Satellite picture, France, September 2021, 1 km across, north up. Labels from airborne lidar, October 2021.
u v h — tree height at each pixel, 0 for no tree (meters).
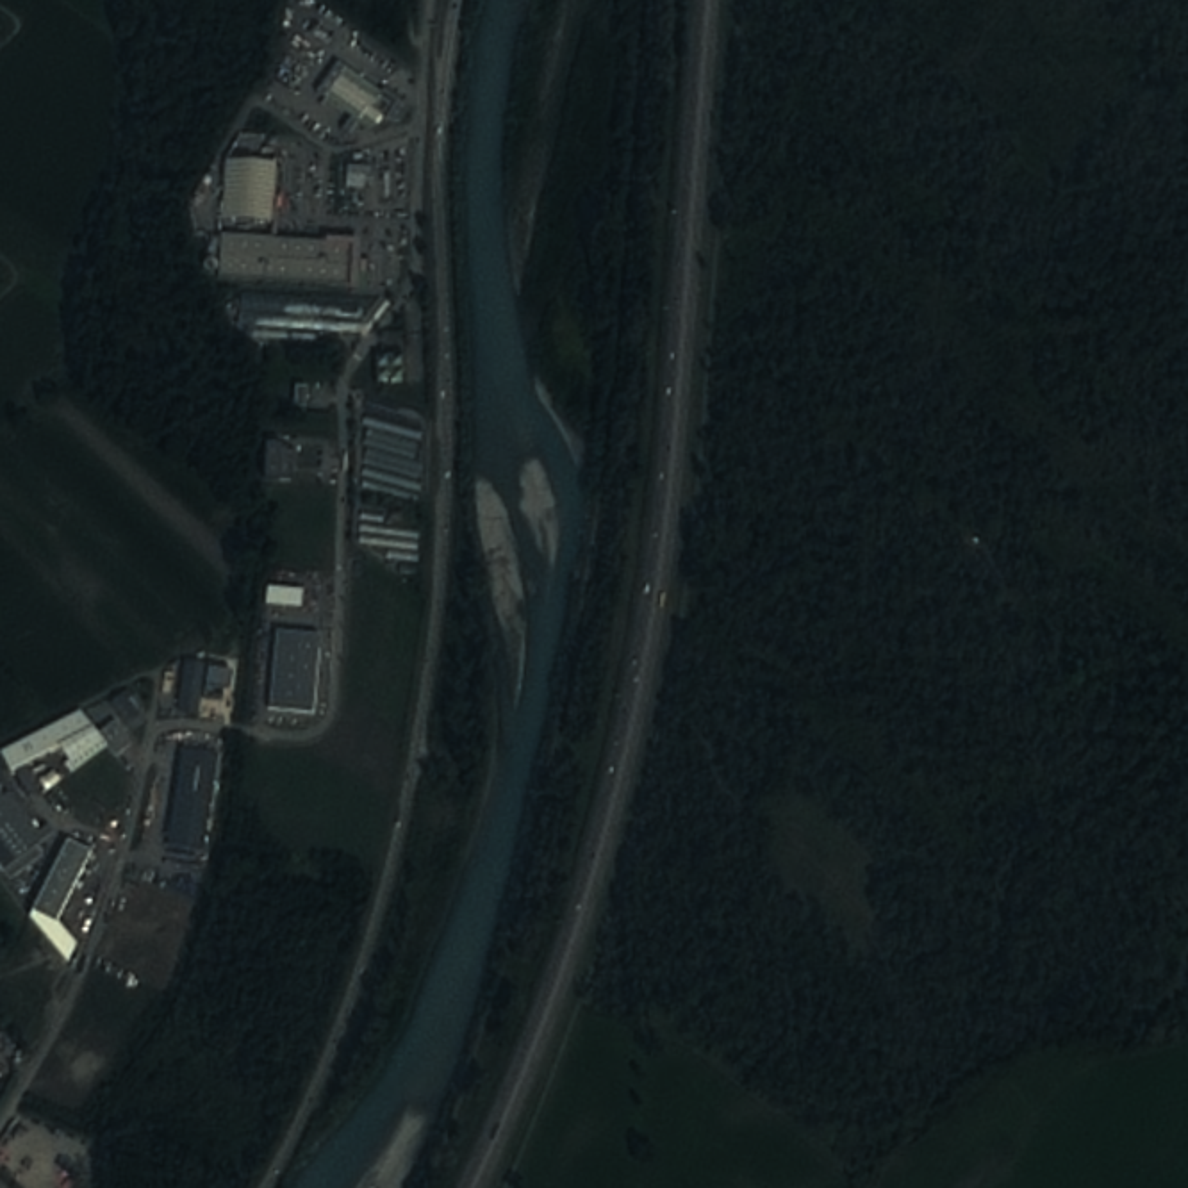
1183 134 20
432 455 0
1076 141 0
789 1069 23
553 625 0
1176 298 18
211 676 0
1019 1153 0
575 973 0
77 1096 0
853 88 19
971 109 21
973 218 15
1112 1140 0
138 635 0
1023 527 14
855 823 17
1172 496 23
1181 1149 0
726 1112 0
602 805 0
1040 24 0
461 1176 0
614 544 18
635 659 0
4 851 0
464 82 7
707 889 24
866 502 20
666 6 19
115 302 17
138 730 0
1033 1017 18
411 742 0
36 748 0
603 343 12
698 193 0
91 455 0
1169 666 7
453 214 7
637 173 19
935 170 18
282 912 19
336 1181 0
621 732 0
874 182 24
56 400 7
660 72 21
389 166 0
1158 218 13
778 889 23
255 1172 18
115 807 0
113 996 0
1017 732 8
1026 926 19
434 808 0
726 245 0
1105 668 16
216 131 20
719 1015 27
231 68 18
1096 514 7
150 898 0
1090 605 17
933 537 24
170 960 0
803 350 20
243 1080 12
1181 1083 0
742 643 18
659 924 22
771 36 10
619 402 16
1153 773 16
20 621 0
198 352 13
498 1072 0
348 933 15
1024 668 28
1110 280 14
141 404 27
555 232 5
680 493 0
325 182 0
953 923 17
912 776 21
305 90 0
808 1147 0
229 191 0
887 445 9
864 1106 22
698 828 18
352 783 0
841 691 20
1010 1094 0
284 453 0
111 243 23
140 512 0
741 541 22
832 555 22
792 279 6
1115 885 22
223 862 19
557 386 6
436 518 0
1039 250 14
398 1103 0
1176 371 9
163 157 23
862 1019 8
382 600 0
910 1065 17
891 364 16
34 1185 0
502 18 0
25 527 0
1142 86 6
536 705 0
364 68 0
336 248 0
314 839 0
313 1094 0
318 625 0
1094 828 14
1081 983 22
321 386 0
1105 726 19
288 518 0
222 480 32
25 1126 0
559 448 0
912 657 22
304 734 0
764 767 19
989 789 10
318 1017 19
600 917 0
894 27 26
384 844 0
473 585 18
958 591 19
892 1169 0
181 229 17
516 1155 0
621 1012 6
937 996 13
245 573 21
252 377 24
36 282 0
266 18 16
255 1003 16
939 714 19
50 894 0
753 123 15
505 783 0
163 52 16
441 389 0
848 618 25
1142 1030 16
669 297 0
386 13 8
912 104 19
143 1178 13
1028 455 13
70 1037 0
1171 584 20
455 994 0
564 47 0
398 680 0
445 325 0
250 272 0
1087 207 14
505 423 0
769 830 9
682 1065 0
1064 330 21
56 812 0
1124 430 15
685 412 0
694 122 0
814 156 16
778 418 12
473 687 18
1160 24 24
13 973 0
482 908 0
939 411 15
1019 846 24
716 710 16
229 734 8
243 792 0
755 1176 0
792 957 7
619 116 14
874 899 13
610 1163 0
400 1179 0
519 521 0
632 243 13
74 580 0
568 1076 0
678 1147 0
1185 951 18
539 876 24
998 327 20
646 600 0
